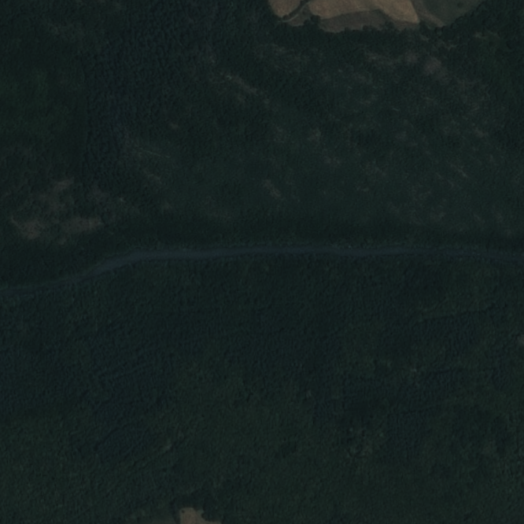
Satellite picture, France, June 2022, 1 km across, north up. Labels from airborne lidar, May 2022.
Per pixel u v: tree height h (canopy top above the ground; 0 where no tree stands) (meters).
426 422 23
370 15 0
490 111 9
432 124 9
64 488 16
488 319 20
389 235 18
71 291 14
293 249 0
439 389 21
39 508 17
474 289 14
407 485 16
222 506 15
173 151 7
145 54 24
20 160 17
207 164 7
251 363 23
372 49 12
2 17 18
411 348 16
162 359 26
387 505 16
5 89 16
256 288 15
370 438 20
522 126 11
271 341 24
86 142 18
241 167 6
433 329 26
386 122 8
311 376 23
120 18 8
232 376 16
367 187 12
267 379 28
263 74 16
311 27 8
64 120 21
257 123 15
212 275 19
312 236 21
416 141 7
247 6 10
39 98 15
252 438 17
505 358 23
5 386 26
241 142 14
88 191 9
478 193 8
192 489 13
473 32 13
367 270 16
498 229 7
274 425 12
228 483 17
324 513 14
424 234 15
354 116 8
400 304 23
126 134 6
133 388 27
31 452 18
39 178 13
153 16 6
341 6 0
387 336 21
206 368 12
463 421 18
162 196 10
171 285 15
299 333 23
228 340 25
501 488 20
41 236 8
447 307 23
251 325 12
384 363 13
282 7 0
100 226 6
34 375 25
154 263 15
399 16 0
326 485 15
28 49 17
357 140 12
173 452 14
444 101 7
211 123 10
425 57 7
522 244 20
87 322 18
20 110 12
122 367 20
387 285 10
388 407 10
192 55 6
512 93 11
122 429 20
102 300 16
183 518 0
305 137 6
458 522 16
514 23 18
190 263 16
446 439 14
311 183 12
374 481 16
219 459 14
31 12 10
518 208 8
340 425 19
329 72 5
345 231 16
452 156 6
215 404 14
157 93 8
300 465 12
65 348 22
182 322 23
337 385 19
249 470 11
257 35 6
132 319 13
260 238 12
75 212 13
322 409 20
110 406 25
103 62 6
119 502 13
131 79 18
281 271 18
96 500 14
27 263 21
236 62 19
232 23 13
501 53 15
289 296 12
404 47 9
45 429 15
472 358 16
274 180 7
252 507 14
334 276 15
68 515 15
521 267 23
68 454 20
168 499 12
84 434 16
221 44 13
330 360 21
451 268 22
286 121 8
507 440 20
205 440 12
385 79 8
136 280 16
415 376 9
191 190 8
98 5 10
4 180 13
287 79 13
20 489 17
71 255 18
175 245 18
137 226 14
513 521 14
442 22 0
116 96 15
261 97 6
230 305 17
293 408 15
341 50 6
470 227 9
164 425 15
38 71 15
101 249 18
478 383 13
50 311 15
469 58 10
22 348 14
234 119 12
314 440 17
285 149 5
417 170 6
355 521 11
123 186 11
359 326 12
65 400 21
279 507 15
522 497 12
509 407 19
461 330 22
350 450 18
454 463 14
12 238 9
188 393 13
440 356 14
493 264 19
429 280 23
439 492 14
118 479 16
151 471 11
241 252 0
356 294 18
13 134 15
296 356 24
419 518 13
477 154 7
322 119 11
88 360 15
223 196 6
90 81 11
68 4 16
